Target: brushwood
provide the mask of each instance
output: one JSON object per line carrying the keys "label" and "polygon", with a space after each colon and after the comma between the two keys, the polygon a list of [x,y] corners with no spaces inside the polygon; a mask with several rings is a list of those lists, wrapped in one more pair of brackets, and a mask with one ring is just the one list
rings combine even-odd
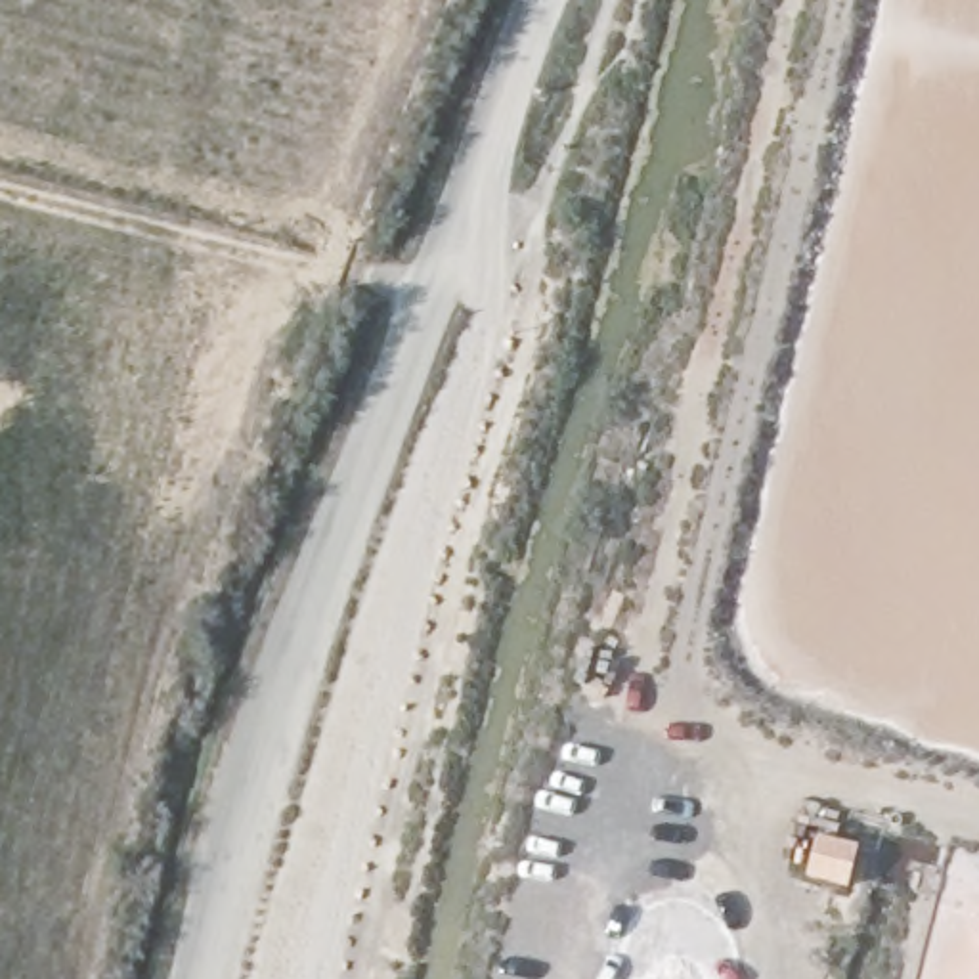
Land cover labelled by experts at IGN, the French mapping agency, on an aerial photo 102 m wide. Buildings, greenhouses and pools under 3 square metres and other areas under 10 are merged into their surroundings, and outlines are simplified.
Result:
{"label": "brushwood", "polygon": [[424,872],[424,895],[417,899],[413,914],[413,968],[405,979],[428,979],[436,906],[444,899],[470,765],[463,757],[451,757],[444,769],[444,815]]}
{"label": "brushwood", "polygon": [[509,570],[486,562],[486,585],[482,620],[470,635],[467,692],[455,727],[467,742],[478,742],[493,688],[497,650],[512,612],[512,581]]}
{"label": "brushwood", "polygon": [[520,398],[516,447],[528,459],[501,512],[512,520],[512,555],[524,558],[532,524],[539,520],[543,497],[551,490],[551,474],[574,405],[589,386],[593,375],[600,352],[589,329],[604,283],[604,264],[616,241],[616,214],[646,119],[650,80],[665,46],[673,4],[673,0],[639,0],[642,50],[635,57],[635,69],[612,73],[597,84],[581,115],[577,138],[566,153],[566,172],[555,187],[555,203],[547,210],[551,226],[574,233],[570,245],[547,249],[547,272],[555,275],[558,268],[585,268],[585,279],[577,287],[558,291],[555,337],[539,348],[535,382]]}

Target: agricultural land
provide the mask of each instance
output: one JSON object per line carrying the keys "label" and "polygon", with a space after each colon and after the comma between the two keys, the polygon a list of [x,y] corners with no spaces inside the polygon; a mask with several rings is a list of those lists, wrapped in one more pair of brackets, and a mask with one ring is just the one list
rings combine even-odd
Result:
{"label": "agricultural land", "polygon": [[161,333],[164,310],[172,306],[172,275],[191,268],[191,252],[164,249],[161,256],[145,260],[134,256],[130,233],[111,233],[99,226],[80,226],[69,218],[50,218],[38,210],[0,203],[0,979],[99,979],[115,933],[111,910],[119,906],[119,860],[130,845],[107,826],[119,818],[122,772],[141,727],[149,662],[161,639],[161,623],[172,612],[180,589],[172,585],[172,577],[134,574],[130,562],[138,539],[149,539],[172,524],[172,516],[164,516],[153,505],[153,490],[157,478],[176,486],[184,455],[176,447],[176,428],[191,428],[195,417],[195,371],[176,363],[184,356],[184,344],[191,340],[187,333]]}

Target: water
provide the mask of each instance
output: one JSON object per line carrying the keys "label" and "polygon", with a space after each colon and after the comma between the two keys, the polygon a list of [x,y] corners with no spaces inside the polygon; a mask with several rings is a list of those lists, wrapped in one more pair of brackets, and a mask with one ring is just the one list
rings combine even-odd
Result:
{"label": "water", "polygon": [[948,891],[941,903],[922,979],[979,979],[979,853],[956,853],[948,868]]}
{"label": "water", "polygon": [[555,516],[574,482],[589,428],[589,386],[574,405],[551,474],[551,490],[543,497],[539,520],[532,524],[524,558],[528,577],[512,581],[512,612],[497,650],[493,688],[478,742],[470,765],[444,899],[436,906],[428,979],[447,979],[463,895],[486,830],[486,784],[497,765],[505,719],[512,715],[520,665],[532,650],[532,620],[543,600],[547,566],[555,551]]}
{"label": "water", "polygon": [[681,8],[681,31],[669,57],[669,73],[662,80],[650,157],[642,164],[639,187],[631,191],[631,210],[623,218],[616,214],[616,241],[604,264],[604,283],[589,329],[600,352],[593,375],[600,379],[616,367],[623,340],[631,337],[639,302],[642,256],[650,233],[658,229],[658,214],[665,207],[673,176],[707,153],[707,107],[715,99],[711,8],[719,0],[673,0],[673,4]]}
{"label": "water", "polygon": [[830,222],[822,229],[822,249],[807,291],[807,314],[795,340],[792,379],[780,398],[780,424],[761,486],[761,509],[750,535],[750,558],[738,589],[734,623],[738,646],[765,685],[799,704],[815,704],[895,730],[925,750],[979,761],[979,0],[880,0],[864,54],[864,73],[857,80],[857,99],[849,115],[838,195],[830,203]]}

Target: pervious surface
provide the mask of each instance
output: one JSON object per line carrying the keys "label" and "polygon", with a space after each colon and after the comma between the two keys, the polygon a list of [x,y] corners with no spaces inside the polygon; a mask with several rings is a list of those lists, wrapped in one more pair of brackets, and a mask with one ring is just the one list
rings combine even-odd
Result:
{"label": "pervious surface", "polygon": [[141,727],[122,772],[119,818],[107,826],[130,845],[138,845],[141,834],[138,803],[145,792],[157,788],[168,715],[184,700],[176,654],[187,623],[195,620],[191,604],[222,589],[222,574],[229,566],[229,535],[245,486],[268,470],[264,440],[272,428],[272,413],[283,398],[291,398],[294,386],[279,359],[283,329],[291,325],[298,298],[310,283],[352,279],[394,287],[394,314],[386,337],[394,352],[371,375],[371,394],[363,409],[333,440],[321,463],[325,497],[310,516],[298,555],[287,558],[260,589],[260,612],[241,654],[249,692],[237,704],[233,719],[218,730],[218,765],[199,769],[195,776],[203,830],[187,834],[184,841],[184,857],[191,860],[191,883],[184,899],[184,925],[172,948],[168,979],[405,979],[413,968],[413,914],[394,895],[394,864],[409,822],[413,784],[413,769],[398,757],[398,746],[421,746],[432,730],[455,727],[467,692],[470,635],[482,620],[486,585],[467,585],[467,566],[470,551],[482,539],[482,528],[501,512],[528,459],[516,447],[520,398],[535,382],[539,348],[555,337],[558,291],[577,287],[585,279],[585,268],[558,268],[555,275],[547,272],[547,249],[570,245],[574,233],[551,226],[547,210],[555,203],[555,187],[566,172],[566,153],[577,138],[581,115],[597,84],[612,73],[635,69],[635,57],[642,50],[639,0],[604,0],[585,38],[585,61],[577,69],[570,111],[539,168],[539,180],[528,191],[512,191],[520,130],[539,92],[547,50],[562,23],[558,0],[532,0],[524,31],[512,46],[497,50],[497,65],[486,73],[474,96],[474,141],[467,145],[463,161],[451,168],[440,191],[436,222],[424,229],[424,237],[409,245],[409,252],[398,264],[379,264],[363,233],[371,229],[379,184],[352,172],[352,153],[359,149],[371,115],[379,111],[382,92],[398,80],[398,69],[405,65],[405,57],[413,57],[421,31],[436,15],[428,0],[382,0],[379,31],[363,31],[363,46],[375,46],[379,57],[375,65],[352,57],[344,80],[344,92],[356,103],[337,141],[333,168],[325,172],[314,195],[279,195],[291,218],[325,218],[329,229],[314,237],[314,252],[249,241],[210,226],[187,226],[172,214],[122,207],[115,199],[69,195],[57,187],[0,176],[0,203],[38,210],[50,218],[69,218],[80,226],[99,226],[111,233],[130,233],[134,256],[145,260],[161,256],[164,249],[191,252],[191,268],[172,275],[172,306],[164,310],[161,333],[187,333],[191,340],[184,344],[184,356],[176,363],[195,371],[195,417],[191,428],[176,428],[176,447],[184,455],[176,486],[157,478],[153,490],[153,505],[164,516],[172,516],[172,524],[149,539],[138,539],[130,562],[134,574],[172,577],[172,585],[180,589],[172,612],[161,623],[161,639],[149,662]]}
{"label": "pervious surface", "polygon": [[[830,937],[857,933],[860,910],[868,903],[868,883],[853,872],[845,883],[838,883],[807,872],[815,838],[838,838],[838,815],[845,811],[853,811],[864,826],[891,838],[903,834],[903,815],[910,811],[937,838],[933,864],[910,860],[914,903],[910,933],[903,941],[903,979],[922,979],[941,903],[948,891],[948,868],[956,853],[979,853],[979,784],[971,784],[968,776],[948,776],[937,765],[922,761],[887,761],[864,769],[860,761],[830,761],[830,738],[811,727],[799,730],[795,746],[772,746],[769,738],[761,738],[757,727],[742,727],[742,704],[719,707],[730,685],[746,692],[746,700],[753,700],[765,685],[738,646],[734,623],[711,627],[711,612],[727,566],[730,524],[738,516],[738,486],[746,478],[746,459],[757,436],[757,402],[765,390],[769,363],[776,356],[776,333],[795,275],[799,233],[811,218],[818,149],[826,141],[826,119],[838,99],[838,73],[853,34],[849,0],[834,0],[822,19],[818,50],[811,54],[807,96],[799,99],[788,92],[788,50],[799,19],[799,8],[792,0],[780,0],[761,73],[761,103],[750,126],[750,161],[738,180],[734,229],[727,237],[723,272],[707,310],[707,329],[692,348],[673,413],[673,474],[665,482],[669,493],[658,512],[662,547],[654,555],[654,574],[639,577],[635,589],[608,593],[589,612],[585,639],[574,646],[577,696],[566,719],[574,719],[577,734],[562,746],[551,780],[535,792],[524,860],[490,868],[490,880],[520,876],[516,895],[501,903],[501,914],[509,914],[505,952],[516,960],[509,971],[497,968],[493,979],[834,979],[834,971],[826,968],[826,945]],[[753,203],[761,191],[772,126],[792,126],[792,164],[776,176],[780,207],[772,222],[765,275],[757,287],[757,314],[742,329],[746,348],[742,356],[727,356],[723,344],[734,310],[738,272],[753,241]],[[707,394],[719,367],[734,367],[738,382],[723,417],[707,421]]]}
{"label": "pervious surface", "polygon": [[673,279],[677,237],[673,229],[658,229],[650,233],[642,256],[639,302],[650,302],[654,287]]}
{"label": "pervious surface", "polygon": [[631,210],[631,191],[639,187],[642,164],[650,157],[662,80],[669,73],[669,57],[681,31],[681,8],[673,4],[665,46],[650,80],[646,119],[616,214],[623,218]]}

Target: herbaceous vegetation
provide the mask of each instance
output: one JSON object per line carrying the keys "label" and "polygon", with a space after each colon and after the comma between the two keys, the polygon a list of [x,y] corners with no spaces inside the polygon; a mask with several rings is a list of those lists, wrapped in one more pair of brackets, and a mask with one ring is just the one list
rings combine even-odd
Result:
{"label": "herbaceous vegetation", "polygon": [[405,57],[405,65],[398,69],[398,80],[382,92],[379,111],[371,115],[359,149],[352,153],[352,172],[379,184],[371,229],[363,233],[379,264],[398,264],[409,252],[409,245],[424,237],[424,229],[436,222],[440,191],[451,168],[463,161],[467,145],[474,141],[474,96],[486,73],[497,65],[497,50],[512,46],[524,31],[532,0],[428,0],[436,15],[421,31],[413,57]]}
{"label": "herbaceous vegetation", "polygon": [[807,96],[811,54],[818,50],[822,19],[834,0],[792,0],[799,8],[799,19],[788,50],[788,92],[799,99]]}
{"label": "herbaceous vegetation", "polygon": [[287,558],[298,555],[310,516],[325,497],[321,463],[333,440],[363,409],[371,394],[371,375],[394,352],[386,337],[394,314],[394,287],[352,279],[310,283],[298,298],[291,325],[283,329],[279,359],[294,386],[291,398],[283,398],[272,413],[272,428],[264,440],[268,470],[245,486],[229,535],[229,566],[222,574],[222,589],[191,604],[195,620],[187,623],[176,654],[184,700],[168,715],[157,788],[145,792],[138,803],[141,834],[138,845],[130,845],[119,860],[119,906],[111,910],[115,933],[99,979],[168,979],[172,948],[184,925],[184,899],[191,883],[191,860],[184,857],[184,841],[187,834],[203,830],[195,776],[199,769],[218,765],[218,730],[233,719],[237,704],[249,692],[241,654],[260,612],[260,589]]}
{"label": "herbaceous vegetation", "polygon": [[857,99],[857,80],[864,73],[864,54],[880,0],[849,0],[853,34],[838,73],[838,99],[826,119],[826,141],[818,149],[811,218],[799,233],[795,275],[776,333],[776,356],[769,363],[765,390],[757,402],[757,436],[746,459],[746,478],[738,486],[738,516],[730,524],[727,566],[711,612],[711,627],[734,623],[738,589],[750,558],[750,535],[761,509],[761,486],[780,424],[780,398],[792,379],[795,340],[807,314],[807,291],[822,249],[822,229],[830,222],[830,203],[838,195],[849,115]]}
{"label": "herbaceous vegetation", "polygon": [[838,815],[838,838],[857,845],[853,872],[868,883],[868,903],[860,910],[857,933],[830,937],[826,945],[826,968],[834,971],[834,979],[903,979],[903,941],[910,933],[914,903],[910,860],[933,864],[937,838],[910,811],[903,815],[903,834],[891,838],[864,826],[853,811],[845,811]]}
{"label": "herbaceous vegetation", "polygon": [[734,367],[719,367],[707,394],[707,421],[723,417],[738,382]]}
{"label": "herbaceous vegetation", "polygon": [[746,700],[746,692],[730,685],[719,707],[742,704],[742,727],[757,727],[761,738],[769,738],[772,746],[795,746],[799,730],[811,727],[830,738],[830,761],[860,761],[864,769],[887,761],[922,761],[937,765],[948,776],[968,776],[971,784],[979,784],[979,761],[925,750],[895,730],[815,704],[799,704],[765,685],[753,700]]}
{"label": "herbaceous vegetation", "polygon": [[451,757],[463,757],[470,765],[478,742],[467,742],[455,727],[432,730],[421,746],[398,746],[398,757],[413,769],[413,784],[409,822],[394,864],[394,895],[413,914],[417,899],[424,895],[424,872],[444,815],[444,769]]}
{"label": "herbaceous vegetation", "polygon": [[776,176],[792,164],[792,126],[772,126],[761,191],[753,203],[753,241],[738,272],[734,310],[723,344],[727,356],[742,356],[746,348],[742,329],[757,314],[757,287],[765,275],[772,222],[780,207]]}
{"label": "herbaceous vegetation", "polygon": [[654,287],[650,302],[639,302],[631,337],[623,340],[616,367],[600,379],[593,375],[589,386],[589,428],[574,482],[555,516],[555,551],[547,566],[543,600],[532,620],[532,650],[520,665],[512,715],[505,719],[497,765],[486,784],[486,830],[463,895],[447,979],[493,979],[497,968],[509,971],[516,960],[505,952],[509,914],[501,914],[501,903],[516,895],[520,876],[490,880],[490,868],[524,860],[535,792],[551,780],[562,746],[577,734],[574,719],[566,719],[577,696],[574,646],[585,639],[589,612],[608,593],[635,589],[639,577],[654,574],[654,555],[662,547],[658,512],[669,493],[665,482],[673,474],[673,413],[692,348],[707,329],[707,310],[723,272],[727,237],[734,229],[738,180],[750,161],[750,126],[761,103],[761,73],[780,0],[719,0],[711,8],[715,99],[707,107],[707,153],[673,176],[665,207],[658,214],[658,229],[673,229],[677,237],[673,279]]}
{"label": "herbaceous vegetation", "polygon": [[314,252],[314,237],[329,229],[325,218],[291,218],[279,195],[314,195],[325,172],[333,168],[337,141],[356,103],[344,92],[344,80],[352,57],[375,65],[379,57],[375,46],[363,46],[363,31],[379,31],[382,0],[0,0],[0,176],[57,187],[69,195],[115,199],[122,207],[172,214],[187,226],[210,226],[249,241]]}
{"label": "herbaceous vegetation", "polygon": [[528,577],[524,558],[512,555],[512,520],[501,512],[482,528],[482,539],[470,551],[467,566],[467,585],[486,585],[486,562],[509,570],[512,581]]}
{"label": "herbaceous vegetation", "polygon": [[585,38],[604,0],[558,0],[562,23],[547,50],[539,92],[520,130],[512,191],[528,191],[539,180],[539,168],[570,111],[577,69],[585,61]]}

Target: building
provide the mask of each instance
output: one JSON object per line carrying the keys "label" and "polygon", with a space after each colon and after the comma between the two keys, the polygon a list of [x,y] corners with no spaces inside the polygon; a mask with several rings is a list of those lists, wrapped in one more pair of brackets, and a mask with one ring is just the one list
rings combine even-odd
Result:
{"label": "building", "polygon": [[857,845],[838,838],[815,838],[807,872],[838,883],[845,883],[853,872]]}

